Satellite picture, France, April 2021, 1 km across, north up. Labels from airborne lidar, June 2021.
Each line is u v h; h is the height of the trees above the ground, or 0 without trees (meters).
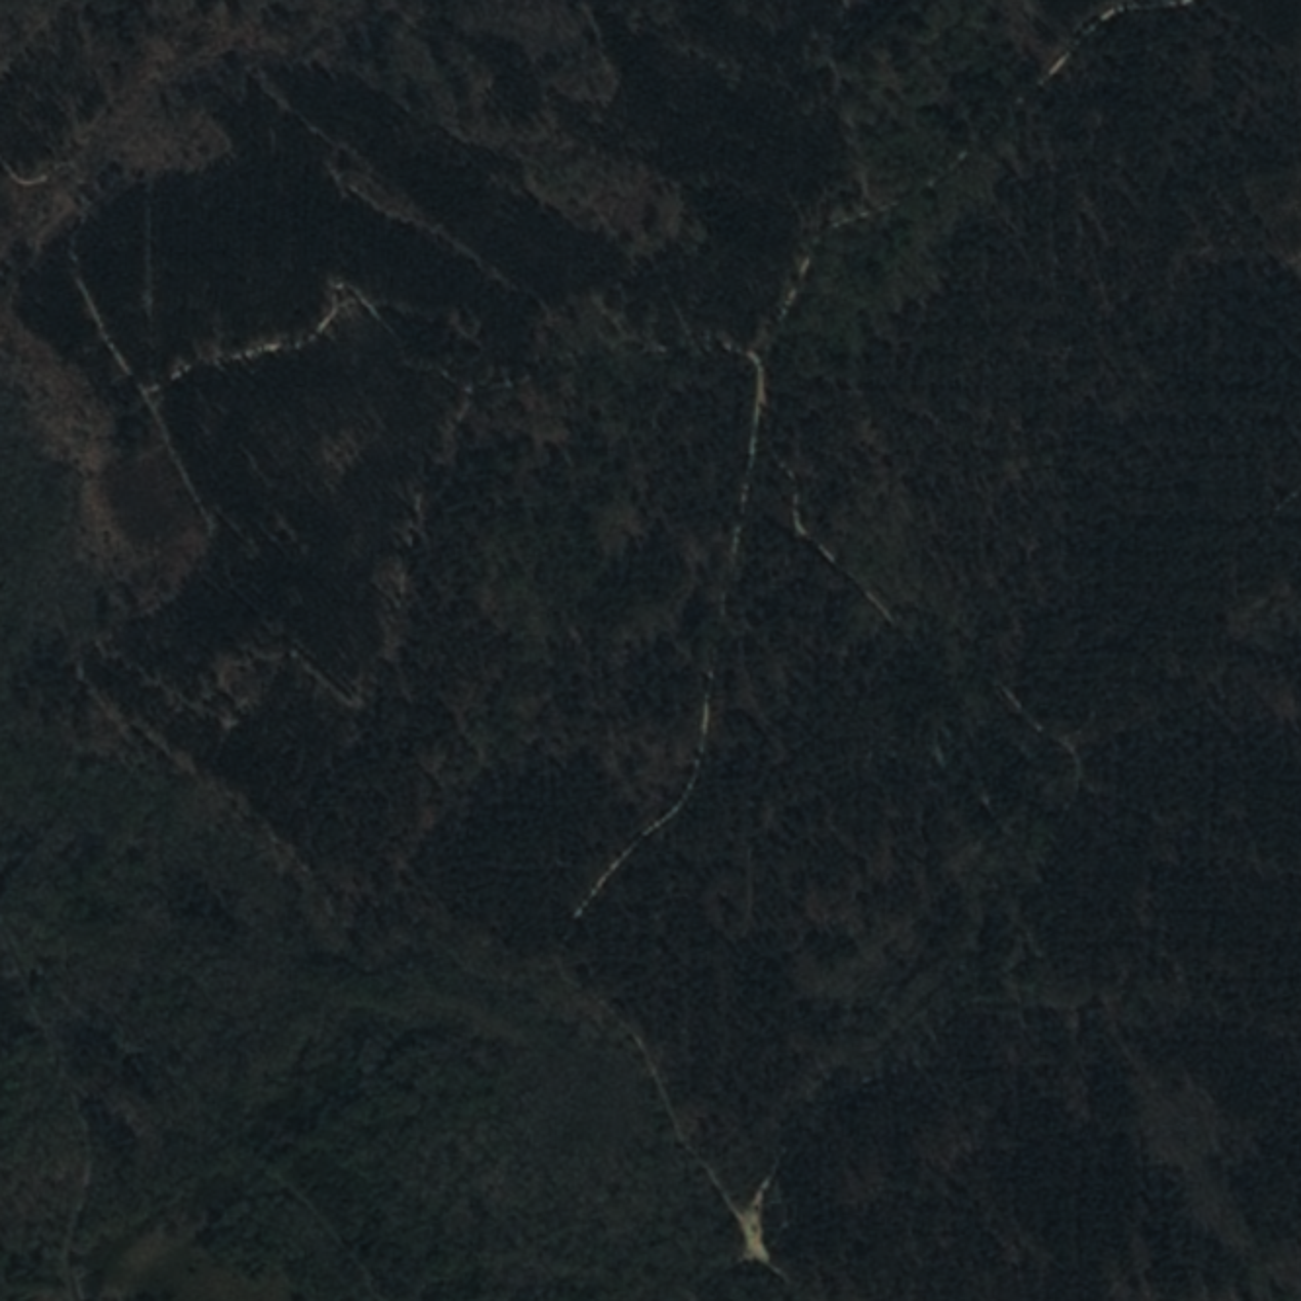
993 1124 11
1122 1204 18
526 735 13
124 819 18
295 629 11
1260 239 14
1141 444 16
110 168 7
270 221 12
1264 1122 17
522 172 11
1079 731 22
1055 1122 21
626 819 17
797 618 20
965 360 18
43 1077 12
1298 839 18
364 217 11
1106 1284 19
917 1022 14
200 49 16
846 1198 15
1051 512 14
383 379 6
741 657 14
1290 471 15
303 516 12
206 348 11
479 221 11
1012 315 17
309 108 11
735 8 9
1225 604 20
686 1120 10
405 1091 25
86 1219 12
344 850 17
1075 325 14
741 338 8
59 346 11
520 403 9
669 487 17
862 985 9
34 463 14
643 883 20
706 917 16
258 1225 13
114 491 0
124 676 10
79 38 7
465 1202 16
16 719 16
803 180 10
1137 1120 22
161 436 10
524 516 20
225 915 20
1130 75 13
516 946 22
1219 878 18
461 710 7
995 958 22
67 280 10
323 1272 16
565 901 16
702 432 18
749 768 15
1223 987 20
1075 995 15
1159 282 22
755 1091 19
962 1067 18
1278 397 17
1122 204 19
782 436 17
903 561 15
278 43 12
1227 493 19
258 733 9
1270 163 14
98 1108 15
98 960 17
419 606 9
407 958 9
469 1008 21
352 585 9
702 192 11
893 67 8
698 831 16
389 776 17
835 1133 17
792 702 9
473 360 11
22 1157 19
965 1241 21
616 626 24
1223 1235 13
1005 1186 18
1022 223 15
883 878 9
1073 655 9
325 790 16
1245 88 17
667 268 11
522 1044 10
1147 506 18
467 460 6
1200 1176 15
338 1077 7
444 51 9
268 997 20
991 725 15
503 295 10
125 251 10
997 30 17
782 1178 15
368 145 11
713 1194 17
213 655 8
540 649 14
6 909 21
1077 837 20
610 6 13
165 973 18
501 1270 11
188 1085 19
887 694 21
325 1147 14
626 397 19
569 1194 14
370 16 8
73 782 12
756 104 10
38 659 16
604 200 8
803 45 10
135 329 9
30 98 8
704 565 12
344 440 7
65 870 23
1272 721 6
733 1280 18
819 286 15
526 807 17
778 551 16
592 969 8
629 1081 17
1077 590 11
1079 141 20
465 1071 22
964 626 16
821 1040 14
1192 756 18
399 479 8
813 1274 21
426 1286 16
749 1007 13
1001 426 17
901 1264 23
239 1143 21
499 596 16
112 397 11
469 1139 22
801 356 13
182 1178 20
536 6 9
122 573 8
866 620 15
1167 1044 20
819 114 10
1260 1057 17
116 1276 0
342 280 7
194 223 12
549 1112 24
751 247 10
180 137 10
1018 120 13
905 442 18
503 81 11
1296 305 21
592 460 20
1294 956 19
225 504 10
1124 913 19
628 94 9
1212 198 16
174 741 8
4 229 16
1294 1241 18
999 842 18
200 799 14
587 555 19
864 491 20
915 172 13
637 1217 17
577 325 14
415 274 10
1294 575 20
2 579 17
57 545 18
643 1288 21
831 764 16
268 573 9
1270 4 7
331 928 12
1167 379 19
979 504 20
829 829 18
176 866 17
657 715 18
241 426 10
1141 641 18
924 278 12
